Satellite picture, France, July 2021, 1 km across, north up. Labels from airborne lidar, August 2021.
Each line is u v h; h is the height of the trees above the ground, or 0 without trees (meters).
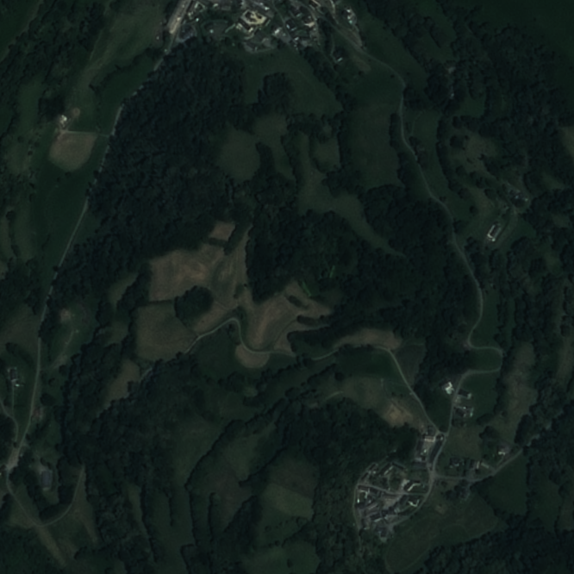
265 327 0
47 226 0
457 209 0
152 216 24
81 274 13
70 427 27
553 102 20
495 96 21
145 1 0
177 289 0
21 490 0
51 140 0
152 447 22
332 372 15
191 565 21
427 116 0
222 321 0
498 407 11
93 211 8
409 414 0
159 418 25
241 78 19
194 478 14
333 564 24
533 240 5
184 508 0
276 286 18
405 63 0
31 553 12
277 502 0
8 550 13
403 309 14
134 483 12
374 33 0
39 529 0
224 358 0
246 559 0
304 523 16
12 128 14
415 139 11
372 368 0
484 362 0
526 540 32
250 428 20
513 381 0
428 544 0
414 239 10
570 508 0
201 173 19
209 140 20
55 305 22
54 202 0
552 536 20
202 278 0
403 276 12
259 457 0
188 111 19
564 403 16
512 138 21
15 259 18
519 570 21
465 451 0
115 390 0
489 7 0
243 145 0
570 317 15
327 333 20
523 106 21
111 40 0
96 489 14
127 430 22
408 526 0
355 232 8
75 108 0
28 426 0
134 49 0
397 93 0
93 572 0
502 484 0
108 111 0
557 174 10
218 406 0
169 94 24
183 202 22
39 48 21
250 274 14
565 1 0
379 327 10
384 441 15
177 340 0
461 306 22
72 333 0
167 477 15
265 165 9
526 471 0
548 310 20
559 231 16
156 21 0
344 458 16
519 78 21
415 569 0
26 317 0
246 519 14
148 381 9
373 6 20
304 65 0
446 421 0
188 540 0
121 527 22
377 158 0
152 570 22
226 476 0
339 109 0
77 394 29
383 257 19
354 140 0
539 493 14
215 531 18
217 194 24
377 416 12
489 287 21
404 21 6
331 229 18
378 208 19
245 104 24
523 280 19
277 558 0
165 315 0
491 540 8
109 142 0
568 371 0
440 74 28
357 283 27
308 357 12
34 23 12
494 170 19
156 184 25
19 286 23
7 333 0
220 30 0
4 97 25
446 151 16
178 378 23
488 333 0
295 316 0
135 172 20
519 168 8
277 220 29
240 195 24
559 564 7
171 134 17
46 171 0
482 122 17
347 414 7
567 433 22
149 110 24
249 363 0
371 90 0
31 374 0
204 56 16
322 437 19
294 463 0
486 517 0
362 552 6
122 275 22
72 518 0
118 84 0
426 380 21
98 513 10
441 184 0
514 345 8
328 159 0
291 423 19
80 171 0
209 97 20
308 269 23
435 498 0
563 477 19
